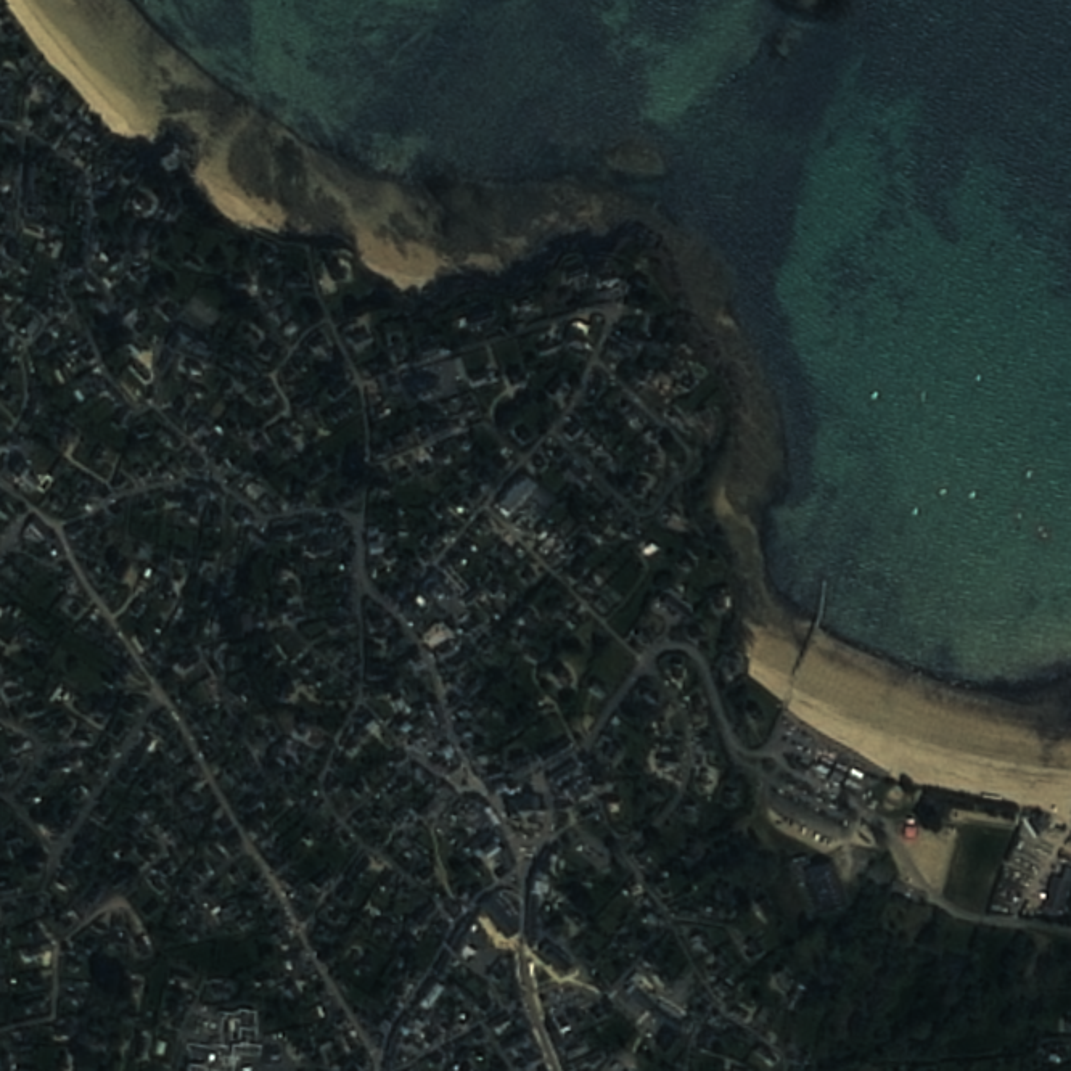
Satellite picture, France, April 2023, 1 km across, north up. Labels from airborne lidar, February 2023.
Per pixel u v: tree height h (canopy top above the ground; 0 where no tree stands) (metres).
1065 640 0
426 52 0
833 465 0
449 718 0
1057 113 0
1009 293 0
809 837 0
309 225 0
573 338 0
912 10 0
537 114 0
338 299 0
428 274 0
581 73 0
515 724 13
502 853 0
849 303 0
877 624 0
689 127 0
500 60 0
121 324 16
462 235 0
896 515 0
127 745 0
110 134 6
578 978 0
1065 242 0
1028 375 0
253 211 0
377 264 0
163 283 11
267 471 14
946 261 0
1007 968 11
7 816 0
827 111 0
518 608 6
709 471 15
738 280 0
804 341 0
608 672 0
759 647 0
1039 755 0
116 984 21
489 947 0
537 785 0
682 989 0
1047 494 0
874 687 0
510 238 0
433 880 6
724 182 0
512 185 0
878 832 17
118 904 0
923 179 0
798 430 0
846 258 0
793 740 0
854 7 0
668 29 0
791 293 0
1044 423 0
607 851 9
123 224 10
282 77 0
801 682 0
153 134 0
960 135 0
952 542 0
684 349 0
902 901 6
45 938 0
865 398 0
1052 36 0
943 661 0
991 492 0
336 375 14
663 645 0
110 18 0
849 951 23
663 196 0
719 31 0
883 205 0
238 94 0
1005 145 0
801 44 0
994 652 0
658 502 0
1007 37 0
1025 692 0
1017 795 0
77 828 0
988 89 0
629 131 0
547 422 11
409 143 0
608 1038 0
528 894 0
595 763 11
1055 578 0
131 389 0
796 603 0
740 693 7
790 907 0
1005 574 0
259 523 0
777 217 0
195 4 0
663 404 0
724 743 7
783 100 0
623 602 0
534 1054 0
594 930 5
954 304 0
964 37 0
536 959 0
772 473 0
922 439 0
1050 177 0
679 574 0
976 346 0
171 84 0
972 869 0
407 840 0
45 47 0
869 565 0
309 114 0
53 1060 0
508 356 0
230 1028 0
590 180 0
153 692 0
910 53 0
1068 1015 0
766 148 0
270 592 6
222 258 10
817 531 0
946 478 0
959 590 0
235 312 18
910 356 0
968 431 0
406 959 12
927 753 0
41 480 0
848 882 0
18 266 6
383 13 0
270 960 13
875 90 0
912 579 0
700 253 0
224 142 0
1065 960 12
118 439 0
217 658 0
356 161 0
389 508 6
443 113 0
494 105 0
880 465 0
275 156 0
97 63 0
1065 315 0
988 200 0
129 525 0
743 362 0
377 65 0
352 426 0
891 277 0
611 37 0
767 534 0
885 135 0
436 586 0
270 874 0
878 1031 14
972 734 0
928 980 7
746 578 0
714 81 0
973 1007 13
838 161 0
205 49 0
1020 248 0
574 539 0
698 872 13
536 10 0
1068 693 0
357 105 0
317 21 0
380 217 0
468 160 0
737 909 11
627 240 0
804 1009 8
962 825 0
